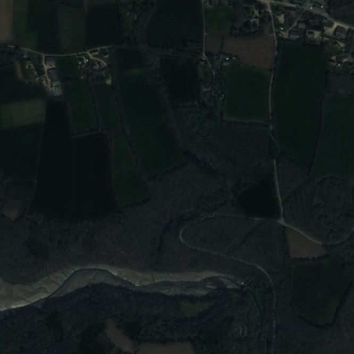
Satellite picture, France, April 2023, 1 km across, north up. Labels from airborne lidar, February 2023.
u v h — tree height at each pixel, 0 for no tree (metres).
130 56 0
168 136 0
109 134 6
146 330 8
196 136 14
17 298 0
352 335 20
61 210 0
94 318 17
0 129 0
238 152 16
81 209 0
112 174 6
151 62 8
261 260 12
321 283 0
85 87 0
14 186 0
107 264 10
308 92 0
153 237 18
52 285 0
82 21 0
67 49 0
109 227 13
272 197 0
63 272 0
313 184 12
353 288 19
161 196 17
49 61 0
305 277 0
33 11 0
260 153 17
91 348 0
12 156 0
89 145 0
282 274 16
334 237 14
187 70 0
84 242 12
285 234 12
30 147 0
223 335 16
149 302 22
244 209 0
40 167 0
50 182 0
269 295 12
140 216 16
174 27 0
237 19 16
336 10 22
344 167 0
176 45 0
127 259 20
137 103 0
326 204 10
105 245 21
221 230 15
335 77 19
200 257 15
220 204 33
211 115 12
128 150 0
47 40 0
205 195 16
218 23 0
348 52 16
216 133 20
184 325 15
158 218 20
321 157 0
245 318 19
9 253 12
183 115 16
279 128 0
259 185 0
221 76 7
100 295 17
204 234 15
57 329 0
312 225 15
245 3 17
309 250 0
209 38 0
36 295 0
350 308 19
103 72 0
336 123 0
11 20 0
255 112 0
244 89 0
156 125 0
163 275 0
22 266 13
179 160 0
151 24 0
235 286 0
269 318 17
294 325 14
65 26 0
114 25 0
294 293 0
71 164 0
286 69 0
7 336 16
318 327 13
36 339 18
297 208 16
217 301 17
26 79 0
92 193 0
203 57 0
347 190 13
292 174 15
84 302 15
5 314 0
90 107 0
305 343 17
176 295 0
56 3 12
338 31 0
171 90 0
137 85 0
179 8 0
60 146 0
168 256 21
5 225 14
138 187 0
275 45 0
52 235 12
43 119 0
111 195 0
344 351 18
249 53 0
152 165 0
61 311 18
